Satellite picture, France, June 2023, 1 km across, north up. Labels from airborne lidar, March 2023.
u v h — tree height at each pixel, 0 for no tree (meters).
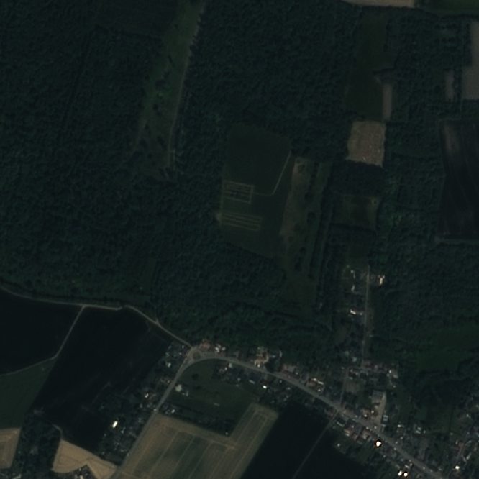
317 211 0
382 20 0
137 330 0
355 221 0
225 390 0
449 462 0
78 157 21
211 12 19
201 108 18
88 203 25
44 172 17
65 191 24
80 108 19
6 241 25
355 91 0
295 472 0
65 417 0
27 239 23
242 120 15
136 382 0
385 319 6
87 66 20
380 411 0
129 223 28
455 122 0
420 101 8
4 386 0
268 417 0
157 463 0
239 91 20
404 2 0
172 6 0
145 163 0
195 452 0
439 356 0
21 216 21
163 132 0
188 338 9
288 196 0
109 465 0
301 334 7
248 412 0
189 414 0
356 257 0
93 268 21
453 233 0
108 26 0
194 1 22
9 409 0
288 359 0
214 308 10
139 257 16
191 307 5
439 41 12
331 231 10
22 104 16
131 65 23
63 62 22
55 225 13
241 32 11
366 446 0
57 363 0
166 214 17
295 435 0
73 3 26
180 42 0
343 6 15
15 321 0
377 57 0
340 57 21
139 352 0
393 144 16
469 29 9
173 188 22
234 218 0
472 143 0
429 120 9
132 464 0
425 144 6
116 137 17
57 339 0
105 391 0
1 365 0
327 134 25
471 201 0
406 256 9
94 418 0
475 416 9
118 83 22
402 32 14
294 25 20
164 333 0
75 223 26
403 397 0
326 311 16
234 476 0
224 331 13
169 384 0
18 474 0
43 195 17
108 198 24
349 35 23
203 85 19
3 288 0
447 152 0
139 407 6
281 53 25
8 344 0
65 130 19
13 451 0
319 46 22
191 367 0
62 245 26
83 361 0
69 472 0
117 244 22
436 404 0
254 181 0
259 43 24
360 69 0
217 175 15
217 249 19
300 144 19
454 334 0
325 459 0
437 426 0
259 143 0
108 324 0
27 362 0
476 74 0
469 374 15
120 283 18
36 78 21
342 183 23
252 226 0
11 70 24
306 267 0
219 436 0
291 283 0
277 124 10
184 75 0
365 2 0
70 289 9
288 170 0
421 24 17
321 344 7
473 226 0
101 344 0
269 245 0
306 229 0
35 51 22
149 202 27
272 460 0
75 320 0
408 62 14
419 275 14
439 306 18
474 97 0
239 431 0
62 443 0
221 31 16
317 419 0
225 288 19
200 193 14
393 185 13
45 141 19
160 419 0
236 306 15
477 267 14
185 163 22
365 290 0
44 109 7
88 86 18
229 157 0
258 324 17
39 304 0
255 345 21
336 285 17
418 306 6
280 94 26
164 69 0
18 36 24
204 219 20
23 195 20
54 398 0
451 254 10
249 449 0
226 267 17
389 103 0
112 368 0
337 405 0
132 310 0
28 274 20
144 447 0
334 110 24
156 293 7
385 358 0
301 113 26
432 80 14
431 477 0
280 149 0
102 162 22
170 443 0
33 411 0
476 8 0
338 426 0
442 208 0
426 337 7
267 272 20
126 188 17
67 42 22
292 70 26
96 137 21
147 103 0
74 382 0
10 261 19
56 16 26
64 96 19
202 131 21
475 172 0
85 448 0
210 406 0
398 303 8
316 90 21
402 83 11
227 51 18
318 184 0
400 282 12
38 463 13
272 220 0
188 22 0
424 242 9
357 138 0
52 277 20
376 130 0
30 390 0
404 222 12
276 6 28
